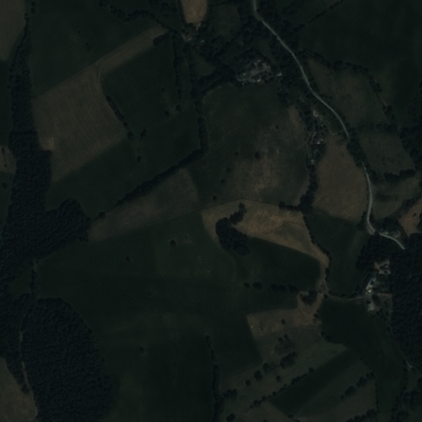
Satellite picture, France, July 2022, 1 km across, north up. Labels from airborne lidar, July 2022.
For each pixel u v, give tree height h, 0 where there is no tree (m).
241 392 0
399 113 0
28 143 11
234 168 0
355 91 0
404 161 0
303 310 0
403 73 0
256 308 0
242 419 0
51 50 0
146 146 0
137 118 0
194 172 0
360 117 0
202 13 0
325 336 11
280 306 0
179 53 22
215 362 12
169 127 0
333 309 0
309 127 17
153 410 0
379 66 0
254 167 0
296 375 0
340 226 0
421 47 0
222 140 0
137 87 0
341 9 0
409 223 0
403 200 0
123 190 0
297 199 0
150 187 23
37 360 22
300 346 0
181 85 18
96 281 0
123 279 0
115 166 0
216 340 0
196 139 0
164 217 0
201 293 0
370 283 14
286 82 8
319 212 0
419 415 0
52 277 0
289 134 0
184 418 0
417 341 30
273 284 0
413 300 27
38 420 9
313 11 0
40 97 0
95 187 0
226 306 0
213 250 0
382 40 0
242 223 0
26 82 12
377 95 7
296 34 7
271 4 26
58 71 0
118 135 0
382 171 0
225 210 0
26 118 14
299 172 0
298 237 0
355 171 0
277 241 0
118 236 0
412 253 30
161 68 0
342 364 0
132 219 0
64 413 15
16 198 19
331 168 0
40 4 0
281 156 0
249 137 0
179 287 0
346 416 0
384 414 0
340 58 0
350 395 13
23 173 15
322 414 0
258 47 0
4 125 0
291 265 0
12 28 0
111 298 0
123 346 0
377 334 0
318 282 0
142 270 0
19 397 0
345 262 0
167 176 15
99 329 0
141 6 0
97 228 0
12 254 19
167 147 0
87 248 0
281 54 17
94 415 19
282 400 0
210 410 0
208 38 13
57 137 0
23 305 20
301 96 0
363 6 0
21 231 22
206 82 22
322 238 0
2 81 0
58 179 0
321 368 0
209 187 0
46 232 22
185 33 9
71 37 0
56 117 0
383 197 0
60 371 19
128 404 0
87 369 14
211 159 0
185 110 0
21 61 9
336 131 0
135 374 0
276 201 0
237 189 0
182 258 0
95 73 0
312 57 5
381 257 18
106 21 0
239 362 0
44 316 22
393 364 0
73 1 0
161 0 16
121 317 0
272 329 0
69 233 24
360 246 0
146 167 0
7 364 14
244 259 0
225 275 0
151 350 0
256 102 0
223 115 0
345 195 0
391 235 6
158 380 0
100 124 0
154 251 0
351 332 0
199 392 0
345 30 0
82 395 17
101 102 0
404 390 5
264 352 0
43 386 12
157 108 0
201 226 0
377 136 0
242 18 16
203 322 0
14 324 16
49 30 0
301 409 0
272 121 0
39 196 20
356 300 0
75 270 0
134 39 0
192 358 0
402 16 0
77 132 0
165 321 0
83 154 0
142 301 0
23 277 0
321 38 0
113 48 0
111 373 0
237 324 0
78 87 0
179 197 0
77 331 21
